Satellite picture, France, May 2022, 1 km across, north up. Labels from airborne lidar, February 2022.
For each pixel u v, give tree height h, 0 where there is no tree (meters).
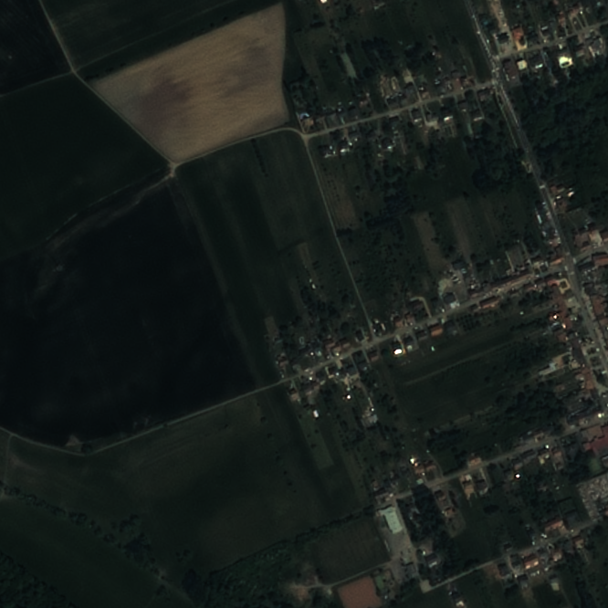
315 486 0
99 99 0
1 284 0
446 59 0
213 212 0
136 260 0
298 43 0
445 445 14
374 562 0
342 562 0
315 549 0
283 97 0
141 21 0
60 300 0
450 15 0
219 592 21
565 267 0
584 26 0
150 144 0
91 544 0
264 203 0
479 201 0
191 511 0
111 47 0
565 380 0
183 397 0
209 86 0
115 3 0
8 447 0
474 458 0
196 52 0
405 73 0
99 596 0
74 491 0
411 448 0
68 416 0
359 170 0
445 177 0
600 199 7
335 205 0
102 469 0
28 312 0
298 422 0
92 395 0
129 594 0
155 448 0
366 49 19
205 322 0
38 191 0
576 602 0
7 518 0
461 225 0
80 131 0
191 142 0
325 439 0
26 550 0
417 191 0
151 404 0
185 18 0
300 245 0
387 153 0
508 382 0
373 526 0
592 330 0
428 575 6
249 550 0
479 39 0
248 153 0
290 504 0
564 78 16
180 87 0
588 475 13
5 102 0
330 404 7
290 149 0
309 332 0
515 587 12
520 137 0
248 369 0
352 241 13
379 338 0
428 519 19
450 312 0
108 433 0
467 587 0
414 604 0
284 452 0
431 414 0
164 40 0
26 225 0
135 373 0
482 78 0
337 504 0
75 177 0
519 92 0
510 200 0
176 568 0
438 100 0
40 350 0
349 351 0
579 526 0
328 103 0
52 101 0
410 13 0
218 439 0
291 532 0
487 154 23
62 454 0
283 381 0
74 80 0
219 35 0
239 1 0
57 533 0
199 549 0
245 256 0
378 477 0
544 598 0
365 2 0
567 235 0
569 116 24
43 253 0
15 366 0
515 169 16
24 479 0
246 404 0
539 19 0
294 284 0
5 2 0
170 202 0
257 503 0
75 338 0
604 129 6
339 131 6
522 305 9
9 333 0
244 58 0
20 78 0
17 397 0
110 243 0
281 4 0
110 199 0
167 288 0
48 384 0
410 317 0
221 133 0
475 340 0
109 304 0
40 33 0
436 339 0
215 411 0
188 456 0
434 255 0
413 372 0
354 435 15
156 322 0
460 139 0
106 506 0
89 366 0
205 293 0
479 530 0
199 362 0
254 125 0
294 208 0
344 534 0
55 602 24
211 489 0
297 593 0
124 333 0
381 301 0
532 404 9
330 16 0
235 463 0
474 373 0
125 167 0
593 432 0
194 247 0
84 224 0
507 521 0
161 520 0
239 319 0
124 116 0
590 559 0
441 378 0
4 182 0
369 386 14
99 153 0
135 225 0
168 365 0
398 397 0
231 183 0
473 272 0
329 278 0
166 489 0
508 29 0
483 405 0
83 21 0
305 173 0
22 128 0
